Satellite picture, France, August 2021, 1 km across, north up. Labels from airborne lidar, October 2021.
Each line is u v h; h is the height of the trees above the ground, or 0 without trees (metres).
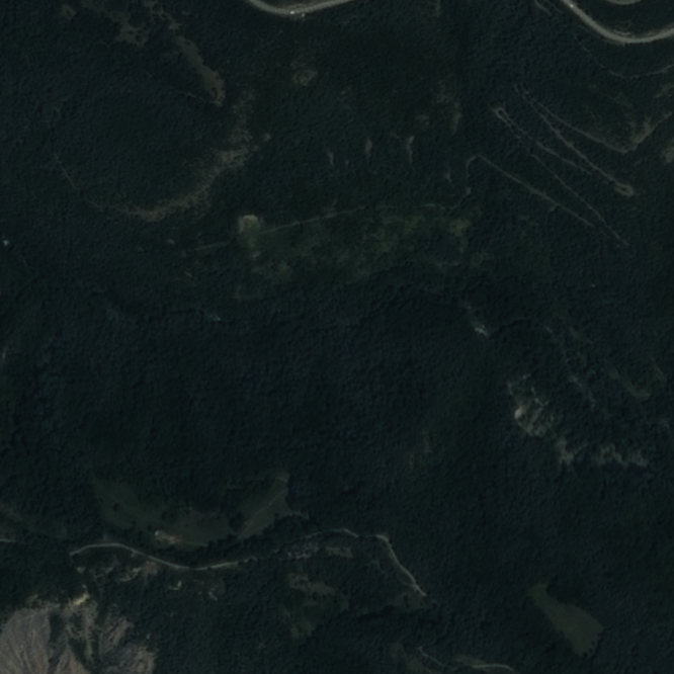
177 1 11
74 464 19
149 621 8
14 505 19
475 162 7
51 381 23
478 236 16
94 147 14
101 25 12
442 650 6
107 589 14
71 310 17
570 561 24
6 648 0
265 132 8
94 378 22
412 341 16
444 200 8
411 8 9
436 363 9
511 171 7
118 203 7
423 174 9
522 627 22
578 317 10
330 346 15
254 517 0
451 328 24
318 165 12
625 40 0
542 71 11
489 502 31
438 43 9
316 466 28
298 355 17
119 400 31
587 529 21
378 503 21
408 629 20
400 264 9
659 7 12
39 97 14
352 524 17
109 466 15
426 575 15
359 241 5
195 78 11
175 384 30
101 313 19
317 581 13
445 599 19
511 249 9
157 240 11
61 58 9
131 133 11
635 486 21
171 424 31
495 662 8
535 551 24
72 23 10
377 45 12
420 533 21
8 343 9
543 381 15
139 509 0
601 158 7
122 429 31
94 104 10
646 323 14
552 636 24
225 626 17
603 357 12
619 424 19
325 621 10
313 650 21
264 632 14
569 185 11
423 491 16
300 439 27
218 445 22
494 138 12
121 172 11
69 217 14
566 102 10
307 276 10
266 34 9
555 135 9
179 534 0
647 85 9
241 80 11
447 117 8
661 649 17
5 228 17
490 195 20
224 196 13
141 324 12
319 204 14
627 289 11
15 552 14
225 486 22
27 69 11
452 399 16
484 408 30
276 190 16
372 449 19
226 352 16
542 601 0
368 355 12
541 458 22
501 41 12
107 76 15
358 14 9
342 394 21
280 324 20
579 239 13
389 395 15
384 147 9
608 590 20
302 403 21
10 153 12
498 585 21
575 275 14
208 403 19
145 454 22
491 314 9
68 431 19
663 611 20
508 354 17
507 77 10
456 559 23
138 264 14
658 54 12
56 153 11
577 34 12
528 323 11
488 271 6
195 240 10
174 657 12
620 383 10
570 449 10
